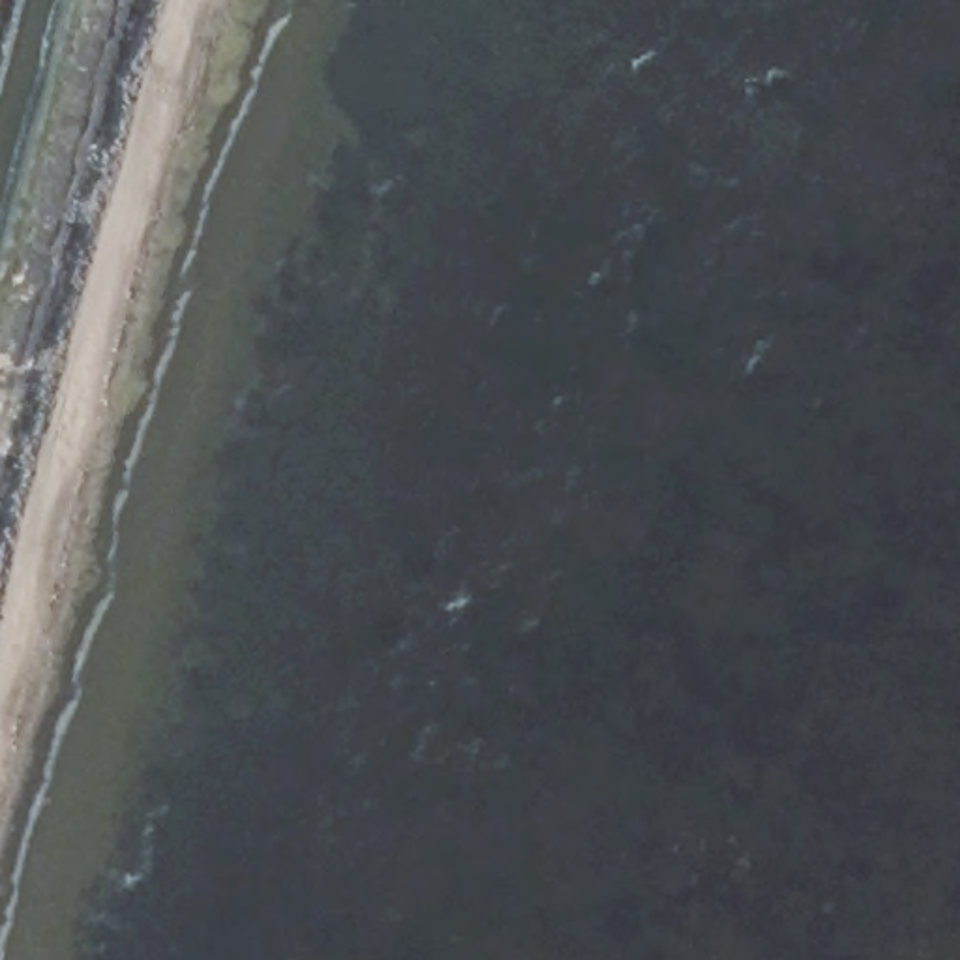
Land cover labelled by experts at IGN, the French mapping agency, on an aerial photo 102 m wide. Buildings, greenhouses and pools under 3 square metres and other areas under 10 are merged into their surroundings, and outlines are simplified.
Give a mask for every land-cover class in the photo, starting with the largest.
<instances>
[{"label":"water","instance_id":"1","mask_svg":"<svg viewBox=\"0 0 960 960\"><path fill-rule=\"evenodd\" d=\"M23 26L15 38L11 71L0 98V240L15 199L8 191L11 150L23 124L34 128L49 83L45 71H38V49L53 0H19ZM259 15L248 30V49L236 68V90L214 116L203 161L195 165L191 191L180 206V240L169 255V270L158 289L150 341L135 360L143 390L120 416L113 435V454L90 536V559L79 574V596L64 641L56 649L53 694L41 709L23 784L11 806V821L0 844V960H960V0H251Z\"/></svg>","mask_w":960,"mask_h":960},{"label":"pervious surface","instance_id":"2","mask_svg":"<svg viewBox=\"0 0 960 960\"><path fill-rule=\"evenodd\" d=\"M128 23L105 79V105L94 135L105 146H113L120 135L124 154L120 173L113 180L105 221L94 240L86 285L75 304L71 334L41 356L0 353V844L11 821V806L23 784L41 709L53 694L56 649L64 641L79 596V574L90 559V536L113 454V435L120 416L143 390L135 360L150 341L158 289L169 270V255L180 240V206L191 191L195 165L203 161L214 116L236 90V68L248 49V30L259 15L251 0H124Z\"/></svg>","mask_w":960,"mask_h":960},{"label":"herbaceous vegetation","instance_id":"3","mask_svg":"<svg viewBox=\"0 0 960 960\"><path fill-rule=\"evenodd\" d=\"M23 26L19 0H0V98L11 71L15 38ZM128 23L124 0H53L38 49V71H45L49 83L34 128L23 124L11 150L8 191L15 199L0 240V353L41 356L71 334L75 304L86 285L94 240L105 221L113 180L120 173L124 154L120 135L113 146H105L94 135L105 105V79Z\"/></svg>","mask_w":960,"mask_h":960}]
</instances>
